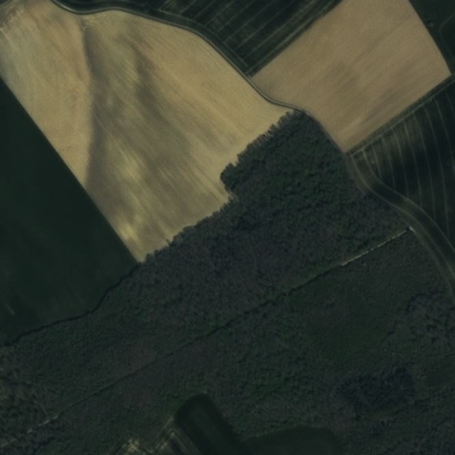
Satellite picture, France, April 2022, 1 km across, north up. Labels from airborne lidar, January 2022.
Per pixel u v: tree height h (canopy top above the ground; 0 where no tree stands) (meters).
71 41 0
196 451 0
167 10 0
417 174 0
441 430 30
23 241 0
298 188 18
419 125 0
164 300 30
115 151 0
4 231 0
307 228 30
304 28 0
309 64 0
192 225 0
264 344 25
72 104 0
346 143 0
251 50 0
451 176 0
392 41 0
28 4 0
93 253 0
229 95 0
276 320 26
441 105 0
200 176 0
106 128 0
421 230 0
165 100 0
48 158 0
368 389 29
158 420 14
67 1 0
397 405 27
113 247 0
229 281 32
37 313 0
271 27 0
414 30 0
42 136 0
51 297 0
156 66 0
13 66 0
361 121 0
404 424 18
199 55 0
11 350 26
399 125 0
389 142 0
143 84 0
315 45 0
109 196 0
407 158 0
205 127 0
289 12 0
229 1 0
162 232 0
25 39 0
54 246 0
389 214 24
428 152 0
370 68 0
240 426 18
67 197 0
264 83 0
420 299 22
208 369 18
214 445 0
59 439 21
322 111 0
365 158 0
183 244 27
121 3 0
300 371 27
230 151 0
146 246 0
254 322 28
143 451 0
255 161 20
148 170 0
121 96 0
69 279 0
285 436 0
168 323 23
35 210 0
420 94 0
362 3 0
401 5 0
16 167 0
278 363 26
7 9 0
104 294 0
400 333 21
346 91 0
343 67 0
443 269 0
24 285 0
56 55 0
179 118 0
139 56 0
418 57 0
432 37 0
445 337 33
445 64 0
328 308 12
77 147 0
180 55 0
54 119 0
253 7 0
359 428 17
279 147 24
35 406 27
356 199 28
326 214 25
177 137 0
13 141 0
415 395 24
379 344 7
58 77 0
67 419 18
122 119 0
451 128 0
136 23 0
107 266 0
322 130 21
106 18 0
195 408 0
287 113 0
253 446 0
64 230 0
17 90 0
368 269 8
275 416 24
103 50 0
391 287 8
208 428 0
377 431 20
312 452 0
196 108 0
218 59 0
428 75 0
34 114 0
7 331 0
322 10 0
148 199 0
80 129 0
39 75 0
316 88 0
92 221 0
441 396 15
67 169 0
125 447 0
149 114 0
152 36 0
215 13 0
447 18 0
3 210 0
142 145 0
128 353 21
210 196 0
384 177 0
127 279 16
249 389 29
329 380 22
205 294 29
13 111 0
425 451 6
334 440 0
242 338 29
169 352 17
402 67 0
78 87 0
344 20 0
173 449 0
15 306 0
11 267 0
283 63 0
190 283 31
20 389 28
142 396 18
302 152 29
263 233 25
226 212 21
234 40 0
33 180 0
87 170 0
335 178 22
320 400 32
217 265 31
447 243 0
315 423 27
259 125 0
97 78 0
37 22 0
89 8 0
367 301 6
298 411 28
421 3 0
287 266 31
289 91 0
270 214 26
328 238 31
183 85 0
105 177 0
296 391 12
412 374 20
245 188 30
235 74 0
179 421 0
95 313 11
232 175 22
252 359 29
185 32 0
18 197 0
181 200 0
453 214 0
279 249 30
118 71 0
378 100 0
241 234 27
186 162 0
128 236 0
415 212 0
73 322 13
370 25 0
